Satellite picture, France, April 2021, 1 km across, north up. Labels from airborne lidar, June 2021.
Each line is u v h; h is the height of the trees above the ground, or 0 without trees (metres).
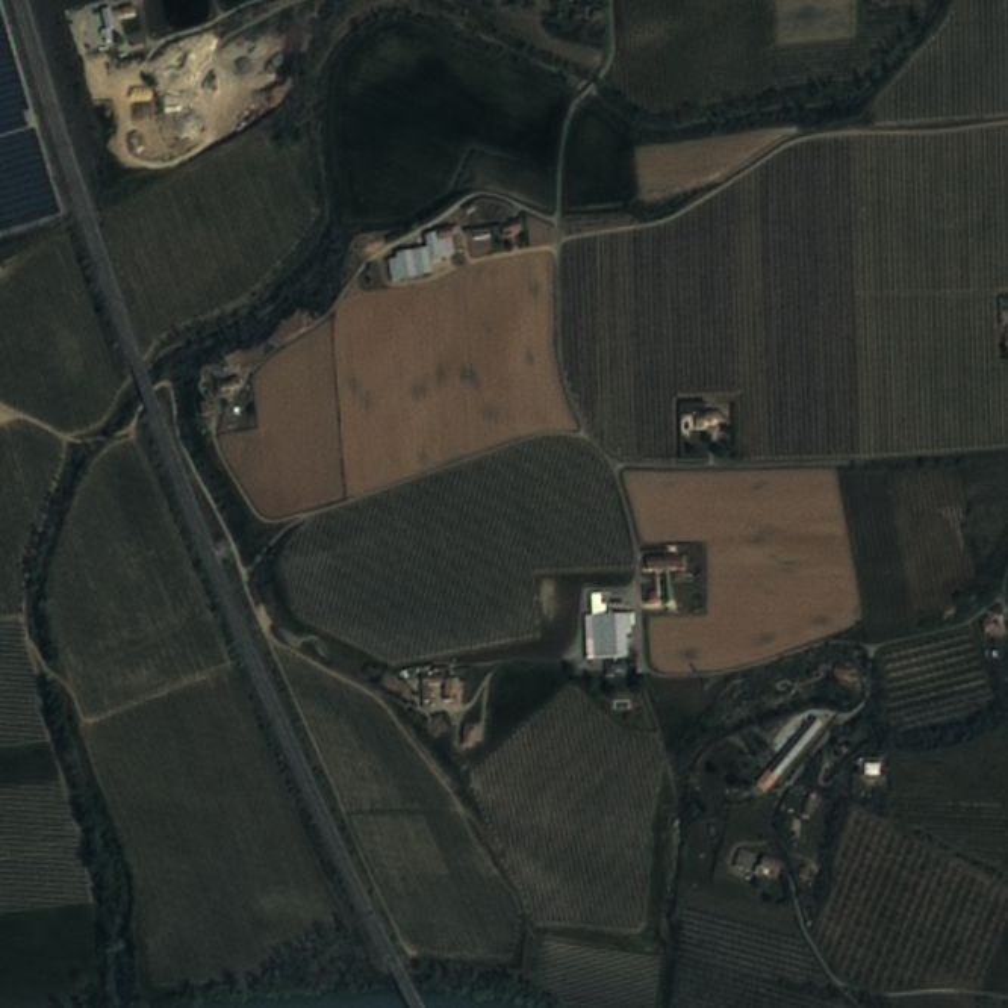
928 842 10
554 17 8
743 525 0
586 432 0
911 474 0
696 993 5
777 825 10
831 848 9
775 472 0
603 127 0
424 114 0
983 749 0
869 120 0
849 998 8
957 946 7
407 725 0
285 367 0
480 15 0
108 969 10
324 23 15
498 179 0
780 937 7
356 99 0
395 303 0
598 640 0
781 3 0
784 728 0
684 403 7
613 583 0
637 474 0
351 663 0
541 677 0
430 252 0
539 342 0
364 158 0
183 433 7
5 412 0
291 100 9
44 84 0
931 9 6
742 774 15
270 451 0
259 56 0
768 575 0
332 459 0
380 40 0
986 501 0
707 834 0
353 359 0
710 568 0
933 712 7
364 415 0
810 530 0
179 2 0
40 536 21
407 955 0
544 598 0
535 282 0
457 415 0
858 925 6
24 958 0
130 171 0
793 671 9
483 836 0
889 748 12
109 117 0
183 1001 13
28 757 0
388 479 0
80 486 12
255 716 9
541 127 0
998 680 16
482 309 0
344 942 21
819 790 8
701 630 0
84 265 10
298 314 0
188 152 0
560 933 0
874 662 8
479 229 5
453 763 0
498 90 0
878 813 10
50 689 25
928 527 0
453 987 21
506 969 0
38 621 13
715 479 0
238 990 24
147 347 0
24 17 0
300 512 0
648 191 0
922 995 0
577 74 10
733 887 0
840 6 0
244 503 0
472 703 0
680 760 6
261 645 0
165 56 0
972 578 0
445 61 0
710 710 7
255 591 8
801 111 16
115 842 10
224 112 0
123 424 8
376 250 0
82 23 0
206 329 11
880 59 13
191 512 0
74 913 0
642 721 0
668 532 0
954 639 7
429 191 0
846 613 0
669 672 0
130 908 6
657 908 0
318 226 11
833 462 0
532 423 0
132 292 0
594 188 0
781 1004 7
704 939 7
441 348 0
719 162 0
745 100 13
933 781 0
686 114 15
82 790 8
